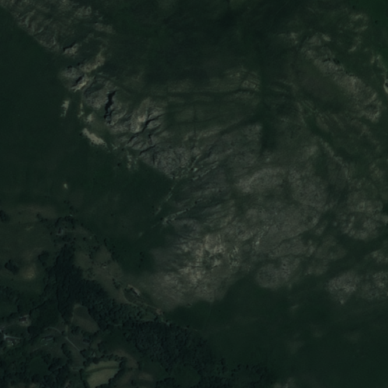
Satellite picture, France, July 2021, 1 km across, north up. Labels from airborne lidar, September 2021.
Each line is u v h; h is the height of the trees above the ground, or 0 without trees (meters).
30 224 0
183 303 0
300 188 0
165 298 0
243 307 0
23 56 0
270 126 0
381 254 0
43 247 0
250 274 0
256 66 0
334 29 0
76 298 21
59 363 22
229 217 0
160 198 0
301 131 0
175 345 14
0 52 0
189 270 0
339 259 0
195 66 0
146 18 0
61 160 0
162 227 0
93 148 0
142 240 0
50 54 0
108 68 0
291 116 0
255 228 0
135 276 0
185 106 0
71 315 18
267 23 0
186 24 0
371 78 0
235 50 0
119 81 0
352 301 0
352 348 0
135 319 16
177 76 0
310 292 0
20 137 0
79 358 0
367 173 0
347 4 0
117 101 0
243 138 0
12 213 0
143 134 0
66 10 0
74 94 0
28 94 0
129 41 0
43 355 11
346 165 0
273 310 0
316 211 0
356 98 0
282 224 0
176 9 0
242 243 0
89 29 0
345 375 0
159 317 15
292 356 0
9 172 0
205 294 0
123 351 0
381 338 0
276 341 0
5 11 0
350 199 0
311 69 0
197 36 0
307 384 0
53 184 0
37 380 23
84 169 0
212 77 0
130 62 0
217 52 0
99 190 0
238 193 0
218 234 0
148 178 0
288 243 0
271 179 0
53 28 0
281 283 0
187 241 0
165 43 0
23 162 0
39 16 0
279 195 0
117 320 16
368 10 0
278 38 0
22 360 12
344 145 0
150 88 0
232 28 0
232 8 0
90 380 0
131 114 0
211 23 0
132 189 0
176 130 0
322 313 0
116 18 0
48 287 16
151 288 0
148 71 0
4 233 0
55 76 0
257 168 0
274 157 0
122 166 13
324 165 0
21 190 0
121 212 0
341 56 0
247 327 0
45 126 0
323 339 0
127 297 0
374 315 0
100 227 0
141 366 10
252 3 0
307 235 0
